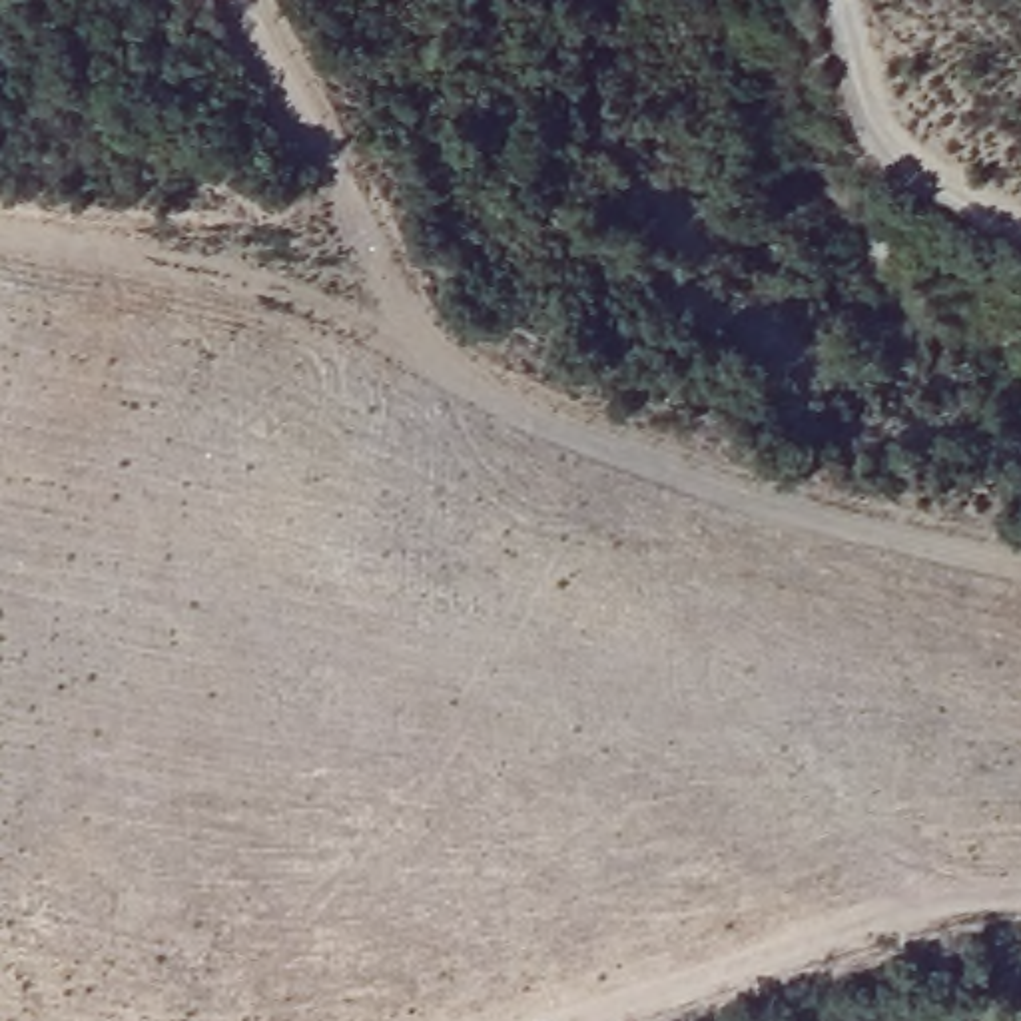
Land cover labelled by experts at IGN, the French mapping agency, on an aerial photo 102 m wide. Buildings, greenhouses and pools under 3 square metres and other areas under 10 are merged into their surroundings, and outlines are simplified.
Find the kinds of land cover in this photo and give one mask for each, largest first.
<instances>
[{"label":"vineyard","instance_id":"1","mask_svg":"<svg viewBox=\"0 0 1021 1021\"><path fill-rule=\"evenodd\" d=\"M335 227L343 231L351 255L367 267V291L379 299V307H359L323 295L291 279L279 263L259 267V247L247 243L215 255L175 251L164 239H152L156 211H72L68 203H0V1021H678L730 1005L734 997L758 989L766 977H846L901 957L909 941H917L941 917L1005 913L1021 921V550H1009L997 538V526L977 507L949 511L941 503L921 511L913 491L897 499L853 495L818 471L810 483L794 491H778L774 483L758 479L750 447L738 443L714 415L698 419L694 435L610 423L606 399L594 387H578V399H570L562 387L526 379L522 371H503L475 343L463 347L439 323L427 295L407 291L399 263H391V251L379 239L363 191L355 175H335L331 187Z\"/></svg>","mask_w":1021,"mask_h":1021},{"label":"brushwood","instance_id":"2","mask_svg":"<svg viewBox=\"0 0 1021 1021\"><path fill-rule=\"evenodd\" d=\"M251 0H0V203H68L72 211H187L195 203L199 183H231L263 207H287L311 191L331 187L335 175H355L363 191L379 187L383 199L395 207L399 227L415 251V263H423L427 295L439 323L463 347L475 343L503 371H522L526 379L562 387L570 399H578V387H594L606 399L610 423L694 435L698 419L714 415L738 443L750 447L758 479L774 483L778 491H794L810 483L818 471L853 495L897 499L913 491L921 511L941 503L949 511L977 507L997 526V538L1009 550H1021V259L1005 243H969L941 215L913 211L909 195H889V164H877L861 148L857 128L846 112V60L834 44L830 0H495V48L439 52L427 44L423 60H415L403 48H387L383 56L319 48L311 56L335 116L343 120V132L327 136L323 128L303 124L247 32L243 16ZM869 44L885 64L889 92L909 112L905 132L913 140H933V132L965 124L957 140H949L945 148L953 164H961L973 183H1001L1009 195H1021V0H861ZM247 243L259 247V267L279 263H287L295 251L287 227H251ZM901 957L909 965V977L925 985L929 1001H937L941 1009H985L981 1021H1021V921L1005 913L941 917L917 941H909Z\"/></svg>","mask_w":1021,"mask_h":1021},{"label":"pervious surface","instance_id":"3","mask_svg":"<svg viewBox=\"0 0 1021 1021\"><path fill-rule=\"evenodd\" d=\"M247 32L303 124L323 128L327 136L343 132V120L335 116L311 56L275 0H251L243 16ZM834 44L846 60V112L857 128L861 148L877 164H889V195H909L913 211L941 215L969 243H1005L1021 259V195H1009L1001 183H973L961 164H953L945 148L949 140H957L965 124L933 132V140H913L905 132L909 112L889 92L885 64L869 44L861 0H830ZM379 239L391 251V263H399L407 291L427 295L423 263H415V251L399 227L395 207L383 199L379 187L363 191Z\"/></svg>","mask_w":1021,"mask_h":1021},{"label":"deciduous trees","instance_id":"4","mask_svg":"<svg viewBox=\"0 0 1021 1021\"><path fill-rule=\"evenodd\" d=\"M311 56L319 48L383 56L387 48H403L415 60H423L427 44L439 52L495 48V0H275ZM985 1009H941L937 1001H929L925 985L909 977V965L901 957L846 977H766L758 989L734 997L730 1005L678 1021H981Z\"/></svg>","mask_w":1021,"mask_h":1021},{"label":"herbaceous vegetation","instance_id":"5","mask_svg":"<svg viewBox=\"0 0 1021 1021\"><path fill-rule=\"evenodd\" d=\"M251 227H287L295 251L287 263H279L291 279L323 295L359 307H379V299L367 291V267L351 255L343 231L335 227L331 187L311 191L287 207H263L231 183H199L195 203L187 211H156L152 239H164L175 251L215 255L247 243Z\"/></svg>","mask_w":1021,"mask_h":1021}]
</instances>
